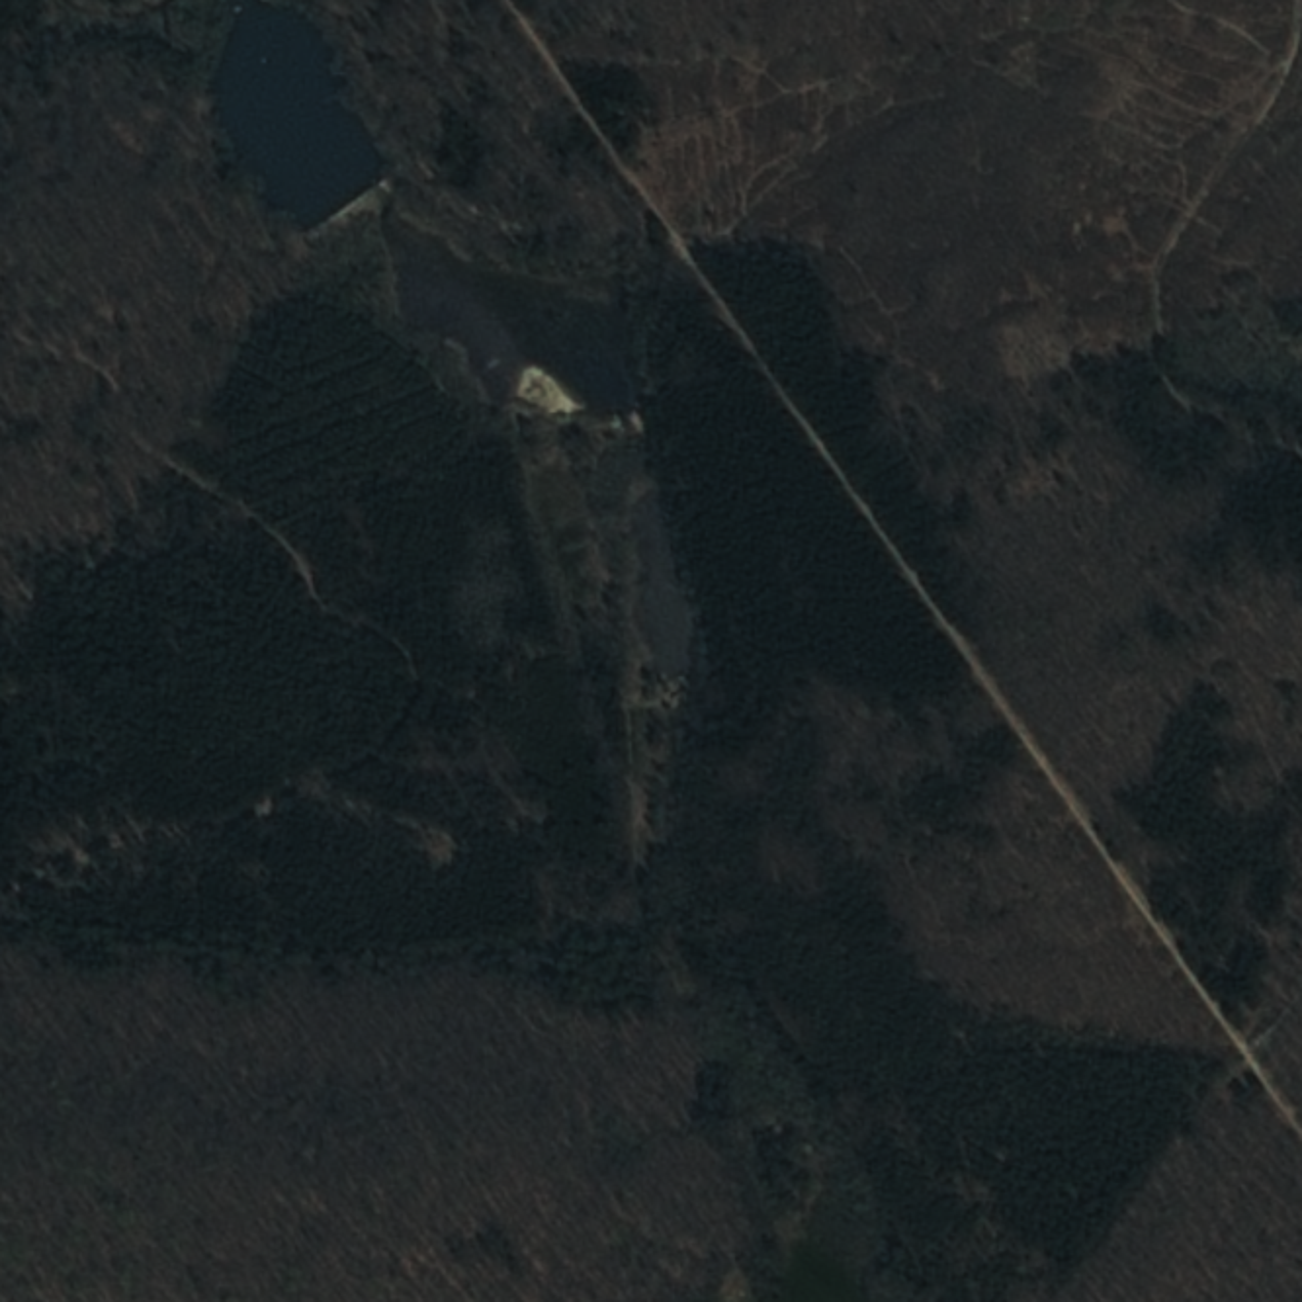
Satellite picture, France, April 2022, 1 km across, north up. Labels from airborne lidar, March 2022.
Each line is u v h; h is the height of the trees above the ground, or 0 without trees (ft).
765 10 24
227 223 99
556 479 0
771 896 44
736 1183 80
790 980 42
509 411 0
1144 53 0
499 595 72
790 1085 48
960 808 39
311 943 87
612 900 79
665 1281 87
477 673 67
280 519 37
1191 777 68
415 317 0
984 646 53
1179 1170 80
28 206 97
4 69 78
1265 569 60
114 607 82
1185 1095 64
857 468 58
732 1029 80
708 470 56
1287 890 67
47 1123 93
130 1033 94
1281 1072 85
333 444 55
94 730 56
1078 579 68
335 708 72
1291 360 31
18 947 79
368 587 74
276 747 78
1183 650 53
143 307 95
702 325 74
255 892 77
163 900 75
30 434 67
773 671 68
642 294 63
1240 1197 90
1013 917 21
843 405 60
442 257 0
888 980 41
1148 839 56
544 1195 89
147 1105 94
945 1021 36
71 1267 89
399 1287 88
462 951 81
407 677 81
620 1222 95
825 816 39
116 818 69
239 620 84
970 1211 27
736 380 64
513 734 32
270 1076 95
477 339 0
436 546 64
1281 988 81
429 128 89
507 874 69
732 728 85
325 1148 107
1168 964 46
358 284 49
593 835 31
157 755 73
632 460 28
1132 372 64
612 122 51
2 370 84
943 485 58
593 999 96
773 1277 73
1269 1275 89
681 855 63
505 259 75
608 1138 85
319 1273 79
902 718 46
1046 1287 35
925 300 31
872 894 35
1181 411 81
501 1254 90
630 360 0
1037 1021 24
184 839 66
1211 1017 35
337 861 75
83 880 84
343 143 0
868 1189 41
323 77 0
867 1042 48
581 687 23
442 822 74
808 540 69
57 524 82
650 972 75
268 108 0
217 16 31
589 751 29
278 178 0
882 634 67
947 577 53
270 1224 79
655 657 0
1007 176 23
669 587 0
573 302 0
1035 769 37
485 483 69
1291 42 27
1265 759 57
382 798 69
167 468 58
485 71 87
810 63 88
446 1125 103
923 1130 65
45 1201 89
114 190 97
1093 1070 59
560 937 56
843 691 56
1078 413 71
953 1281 31
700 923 67
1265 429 76
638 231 105
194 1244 81
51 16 63
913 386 73
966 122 37
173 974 92
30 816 72
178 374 99
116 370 93
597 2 71
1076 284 26
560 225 85
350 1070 94
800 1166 97
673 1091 84
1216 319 33
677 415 57
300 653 83
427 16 98
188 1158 89
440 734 72
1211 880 65
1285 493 84
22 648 71
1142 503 68
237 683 73
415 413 52
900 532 73
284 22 0
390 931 64
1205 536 60
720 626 58
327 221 0
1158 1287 94
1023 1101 66
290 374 39
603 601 0
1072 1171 78
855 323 28
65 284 101
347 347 54
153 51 98
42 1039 90
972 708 35
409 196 92
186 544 47
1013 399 53
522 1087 100
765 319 76
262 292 91
